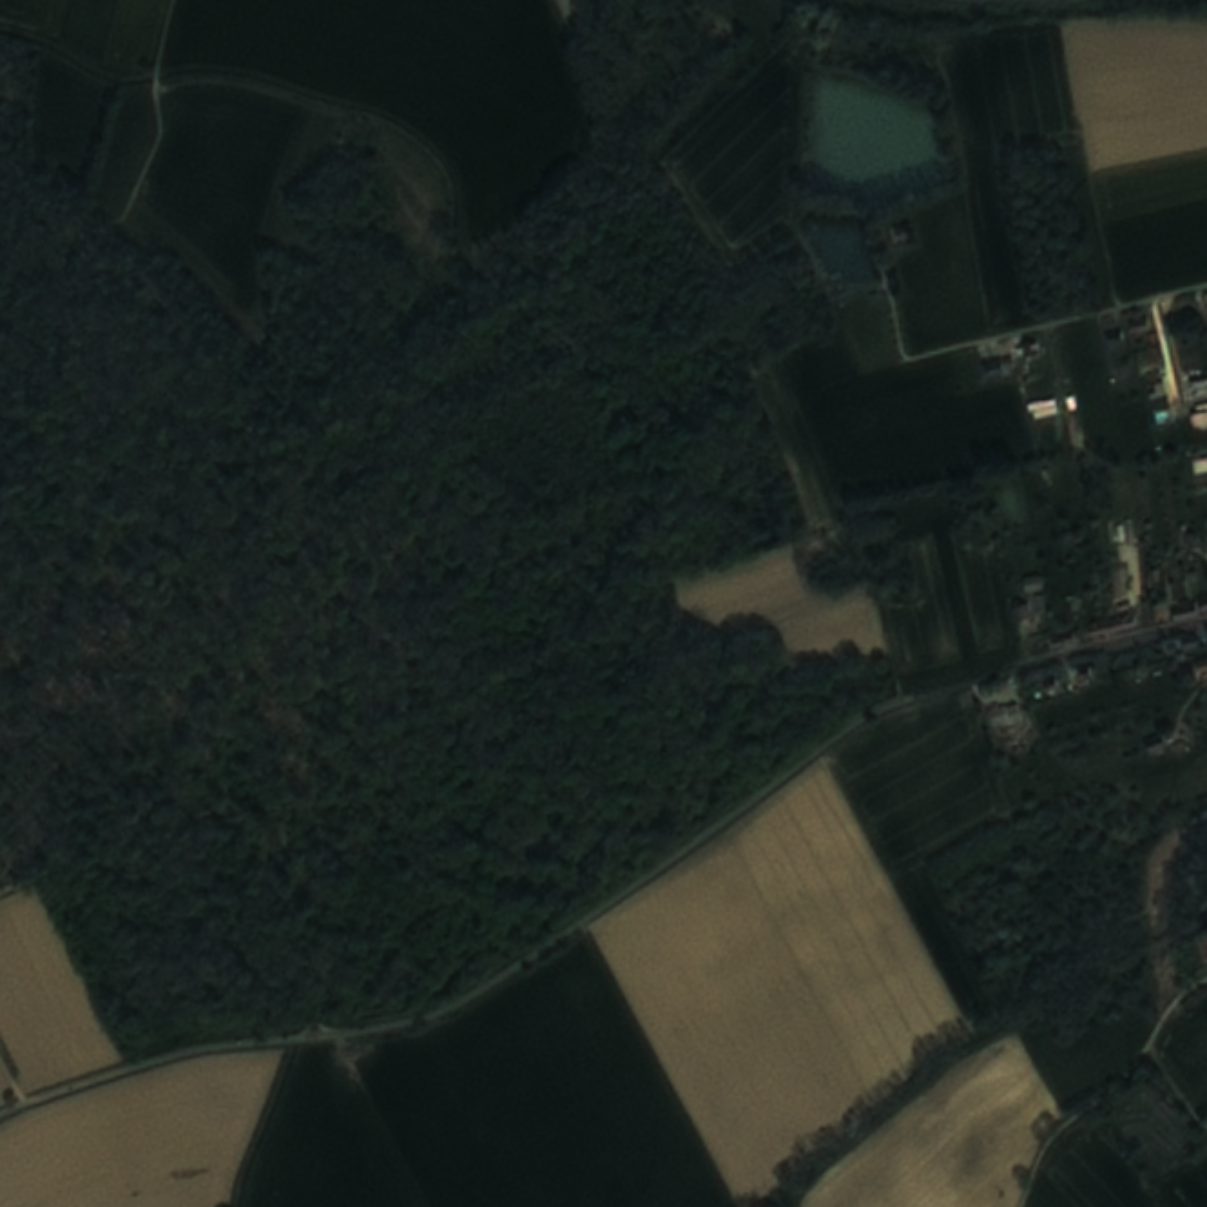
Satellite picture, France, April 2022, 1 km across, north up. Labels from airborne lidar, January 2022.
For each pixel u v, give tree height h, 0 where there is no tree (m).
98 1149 0
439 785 31
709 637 25
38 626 34
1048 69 0
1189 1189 0
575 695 29
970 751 0
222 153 0
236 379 30
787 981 0
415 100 0
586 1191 0
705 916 0
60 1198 0
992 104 0
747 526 22
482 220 0
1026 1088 0
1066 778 0
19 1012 0
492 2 0
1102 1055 0
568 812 21
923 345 0
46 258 34
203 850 31
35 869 25
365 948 18
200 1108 0
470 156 0
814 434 0
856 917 0
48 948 0
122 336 32
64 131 0
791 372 0
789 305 29
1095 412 0
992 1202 0
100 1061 0
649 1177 0
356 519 29
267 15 0
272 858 10
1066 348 0
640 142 30
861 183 0
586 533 7
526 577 31
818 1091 0
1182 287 0
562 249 24
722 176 0
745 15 0
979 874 11
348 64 0
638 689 27
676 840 28
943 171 0
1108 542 0
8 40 19
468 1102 0
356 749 29
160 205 0
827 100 0
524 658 23
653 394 24
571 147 0
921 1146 0
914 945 0
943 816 0
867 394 0
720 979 0
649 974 0
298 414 33
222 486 31
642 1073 0
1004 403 0
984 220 0
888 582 16
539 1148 0
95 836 24
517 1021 0
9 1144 0
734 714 28
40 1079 0
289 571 35
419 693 25
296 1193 0
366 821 26
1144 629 0
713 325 26
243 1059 0
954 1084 0
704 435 32
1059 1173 0
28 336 36
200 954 35
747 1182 0
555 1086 0
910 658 0
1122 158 0
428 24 0
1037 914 6
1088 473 17
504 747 26
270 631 34
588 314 25
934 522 0
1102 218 0
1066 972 24
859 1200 0
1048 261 25
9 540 30
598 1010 0
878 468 0
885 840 0
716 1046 0
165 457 29
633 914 0
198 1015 29
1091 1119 17
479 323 32
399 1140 0
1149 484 0
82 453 36
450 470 27
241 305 0
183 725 10
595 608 30
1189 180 0
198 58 0
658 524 31
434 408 28
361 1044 0
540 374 18
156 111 0
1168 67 0
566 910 28
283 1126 0
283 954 28
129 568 34
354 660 31
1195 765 0
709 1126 0
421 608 35
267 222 0
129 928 24
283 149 0
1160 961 0
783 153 0
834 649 0
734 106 0
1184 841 20
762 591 0
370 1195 0
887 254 18
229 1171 0
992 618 0
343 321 30
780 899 0
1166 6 21
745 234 0
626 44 32
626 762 29
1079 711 0
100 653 37
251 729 27
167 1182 0
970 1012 0
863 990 0
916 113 0
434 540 33
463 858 28
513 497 28
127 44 0
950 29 20
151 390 33
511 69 0
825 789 0
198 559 37
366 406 31
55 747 34
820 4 27
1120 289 0
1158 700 0
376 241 29
